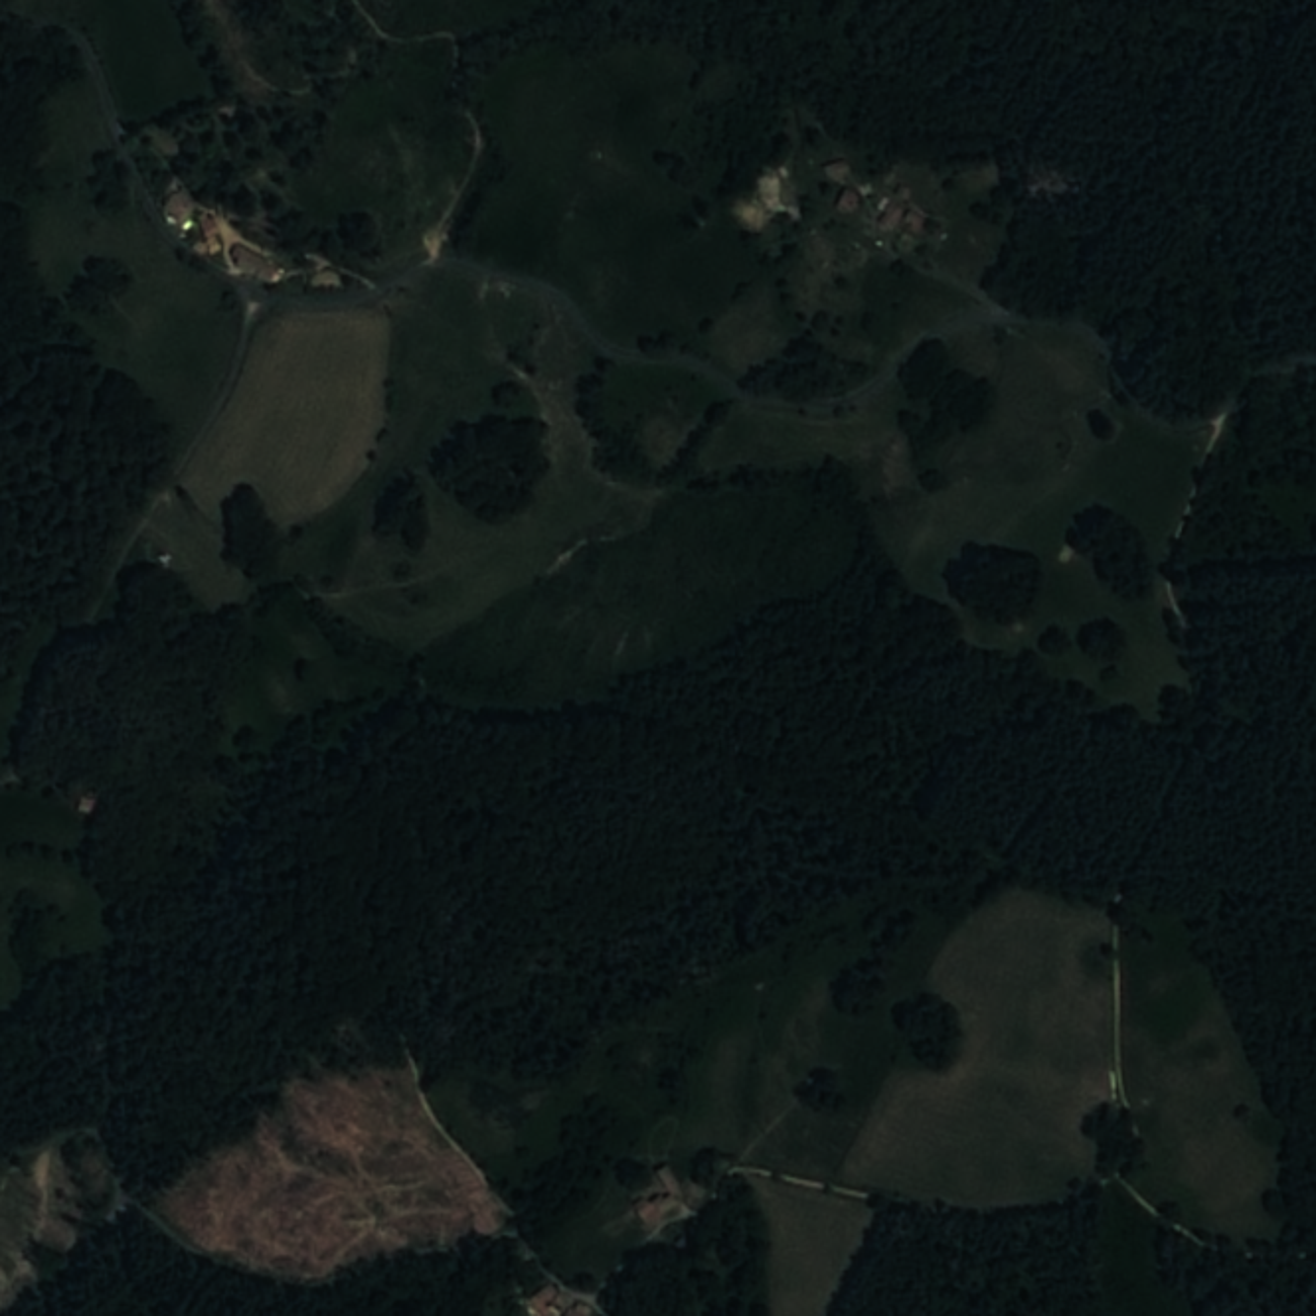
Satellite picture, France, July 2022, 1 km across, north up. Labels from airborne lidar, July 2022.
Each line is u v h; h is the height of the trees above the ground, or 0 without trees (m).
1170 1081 0
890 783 14
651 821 25
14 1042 26
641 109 0
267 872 21
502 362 0
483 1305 13
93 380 19
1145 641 0
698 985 13
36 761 22
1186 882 36
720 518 0
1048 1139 0
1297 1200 21
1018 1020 0
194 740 20
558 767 27
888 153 12
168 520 0
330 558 0
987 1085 0
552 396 0
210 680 21
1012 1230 18
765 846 10
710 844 25
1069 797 39
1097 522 22
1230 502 9
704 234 25
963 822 34
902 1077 0
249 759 15
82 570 28
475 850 26
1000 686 23
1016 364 0
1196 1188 0
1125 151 34
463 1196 0
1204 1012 0
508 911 22
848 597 11
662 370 0
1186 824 44
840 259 0
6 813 0
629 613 0
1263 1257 9
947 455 0
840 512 7
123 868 23
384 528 6
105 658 21
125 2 0
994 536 0
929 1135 0
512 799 27
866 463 0
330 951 24
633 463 19
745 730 15
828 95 12
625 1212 0
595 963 8
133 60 0
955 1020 14
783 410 0
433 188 0
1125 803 40
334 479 0
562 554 0
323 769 10
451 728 28
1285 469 13
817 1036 0
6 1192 0
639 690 12
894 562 10
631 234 0
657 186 0
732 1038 0
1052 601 0
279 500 0
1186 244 27
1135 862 35
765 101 11
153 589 19
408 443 0
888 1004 0
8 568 30
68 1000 23
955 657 29
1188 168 37
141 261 0
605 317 0
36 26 17
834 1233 0
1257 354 15
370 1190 0
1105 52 22
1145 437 0
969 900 6
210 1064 24
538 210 0
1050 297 20
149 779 19
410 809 27
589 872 25
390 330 0
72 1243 0
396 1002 25
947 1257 18
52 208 0
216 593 0
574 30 22
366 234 24
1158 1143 0
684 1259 21
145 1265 28
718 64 11
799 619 13
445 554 0
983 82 23
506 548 0
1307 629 34
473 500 22
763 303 0
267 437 0
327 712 10
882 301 0
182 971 26
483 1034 20
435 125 0
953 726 31
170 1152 24
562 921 16
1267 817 37
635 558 0
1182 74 27
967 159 28
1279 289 36
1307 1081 17
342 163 0
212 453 0
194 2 24
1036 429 0
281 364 0
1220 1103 0
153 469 24
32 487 25
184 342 0
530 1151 7
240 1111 24
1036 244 17
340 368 0
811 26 7
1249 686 37
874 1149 0
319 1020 24
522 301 0
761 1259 9
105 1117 19
